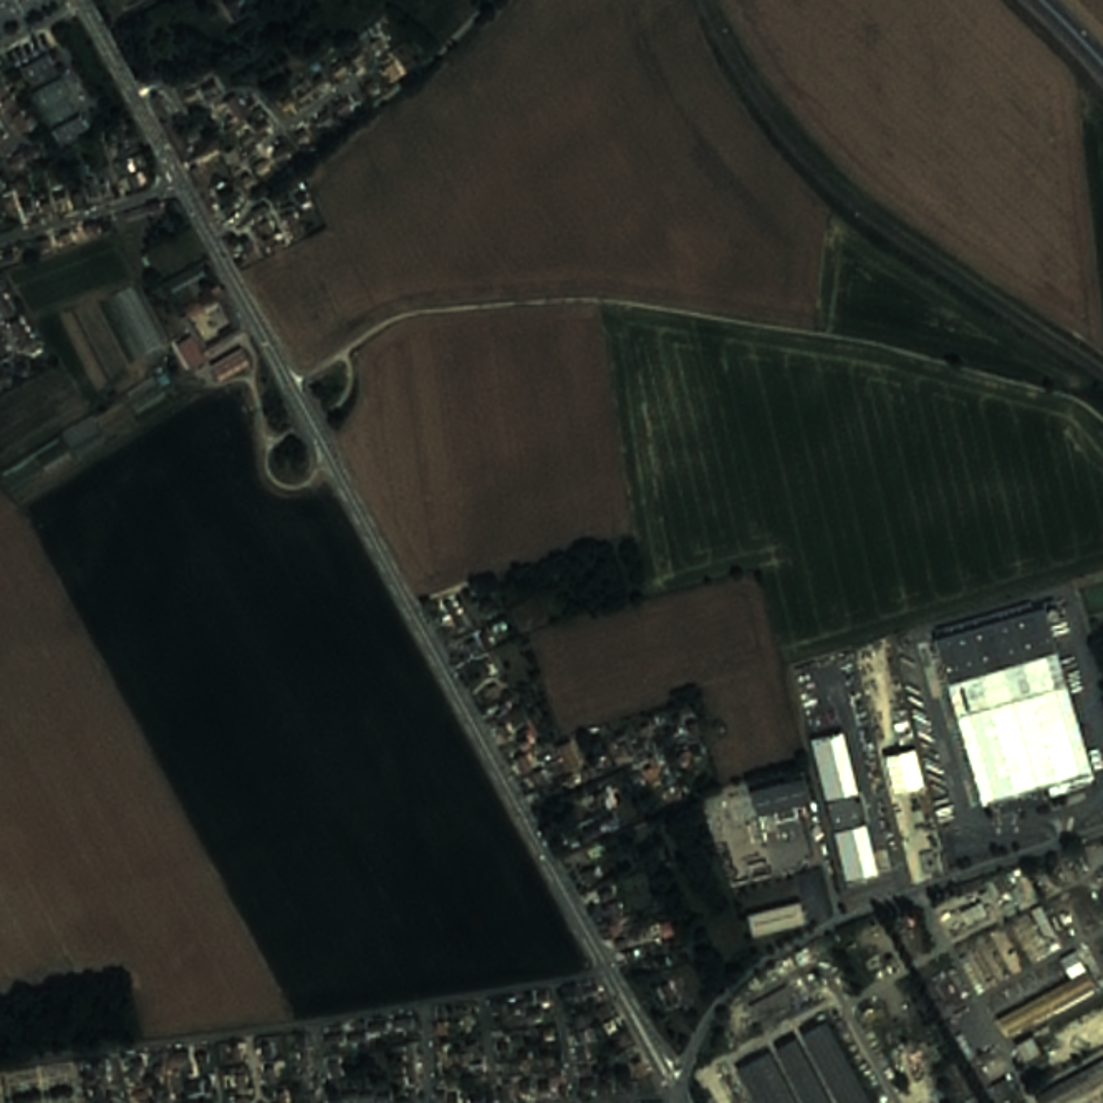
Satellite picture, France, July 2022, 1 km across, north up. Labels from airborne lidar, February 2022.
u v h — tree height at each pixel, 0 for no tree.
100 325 0
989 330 0
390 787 0
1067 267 0
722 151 0
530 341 0
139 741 0
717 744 0
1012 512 0
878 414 0
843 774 0
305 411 0
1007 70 0
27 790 0
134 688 0
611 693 0
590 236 0
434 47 11
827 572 0
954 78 0
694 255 0
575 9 0
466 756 0
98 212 0
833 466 0
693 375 0
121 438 0
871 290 0
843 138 0
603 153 0
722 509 0
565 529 0
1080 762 0
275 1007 0
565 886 0
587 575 8
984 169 0
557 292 0
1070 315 0
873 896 0
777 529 0
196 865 0
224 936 0
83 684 0
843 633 0
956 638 0
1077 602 0
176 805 0
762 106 0
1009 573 0
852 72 0
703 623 0
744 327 0
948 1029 22
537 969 0
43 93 0
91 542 0
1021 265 0
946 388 0
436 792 0
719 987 6
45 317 0
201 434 0
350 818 0
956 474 0
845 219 0
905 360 0
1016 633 0
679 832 18
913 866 0
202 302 0
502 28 0
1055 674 0
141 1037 0
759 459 0
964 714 0
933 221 0
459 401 0
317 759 0
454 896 0
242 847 0
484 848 0
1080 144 0
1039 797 0
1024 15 0
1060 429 0
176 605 0
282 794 0
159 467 0
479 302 0
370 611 0
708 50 0
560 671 0
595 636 0
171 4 9
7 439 0
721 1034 10
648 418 0
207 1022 0
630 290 0
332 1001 0
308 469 0
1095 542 0
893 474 0
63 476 0
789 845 0
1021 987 0
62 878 0
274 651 0
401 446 0
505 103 0
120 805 0
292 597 0
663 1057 0
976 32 0
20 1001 16
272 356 0
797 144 0
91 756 0
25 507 0
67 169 19
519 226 0
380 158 0
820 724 0
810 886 0
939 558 0
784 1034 0
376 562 0
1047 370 0
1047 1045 0
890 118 0
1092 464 0
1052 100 0
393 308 0
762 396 0
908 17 0
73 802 0
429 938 0
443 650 0
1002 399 0
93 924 0
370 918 0
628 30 0
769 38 0
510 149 0
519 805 0
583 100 0
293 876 0
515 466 0
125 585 0
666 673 0
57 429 0
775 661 0
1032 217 0
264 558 0
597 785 6
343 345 0
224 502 0
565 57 0
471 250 0
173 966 0
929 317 0
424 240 0
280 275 0
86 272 0
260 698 0
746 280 0
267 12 19
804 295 0
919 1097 0
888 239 0
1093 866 0
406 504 0
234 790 0
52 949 0
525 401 0
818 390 0
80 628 0
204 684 0
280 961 0
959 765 0
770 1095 0
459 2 0
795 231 0
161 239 15
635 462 0
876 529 0
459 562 0
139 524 0
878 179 0
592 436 0
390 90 0
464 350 0
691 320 0
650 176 0
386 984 0
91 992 19
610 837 12
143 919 0
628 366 0
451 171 0
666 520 0
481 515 0
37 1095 12
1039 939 0
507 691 7
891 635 0
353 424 0
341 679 0
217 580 0
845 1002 0
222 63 17
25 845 0
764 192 0
